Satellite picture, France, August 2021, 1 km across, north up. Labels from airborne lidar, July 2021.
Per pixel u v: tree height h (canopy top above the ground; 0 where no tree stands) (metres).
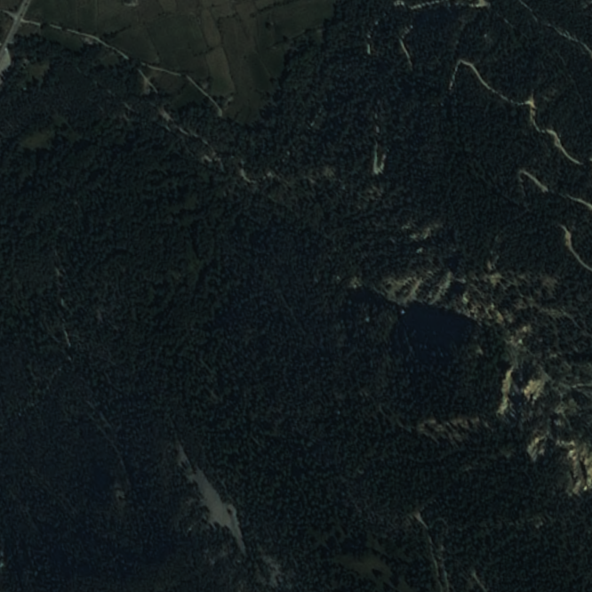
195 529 8
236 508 7
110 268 19
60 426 10
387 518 12
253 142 15
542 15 13
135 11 0
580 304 18
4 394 11
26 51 16
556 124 11
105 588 11
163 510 9
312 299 14
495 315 9
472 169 20
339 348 10
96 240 16
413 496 10
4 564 7
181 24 0
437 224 10
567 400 6
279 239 14
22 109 19
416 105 13
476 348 17
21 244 25
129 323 20
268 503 18
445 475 13
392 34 16
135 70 8
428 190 15
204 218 18
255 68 0
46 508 11
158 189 23
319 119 20
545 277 14
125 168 22
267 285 12
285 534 19
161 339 21
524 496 7
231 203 11
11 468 9
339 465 12
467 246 13
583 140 15
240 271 12
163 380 17
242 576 12
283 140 16
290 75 15
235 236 11
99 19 0
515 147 14
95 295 16
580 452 0
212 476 6
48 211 19
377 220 10
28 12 0
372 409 18
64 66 18
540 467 8
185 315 21
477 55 9
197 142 18
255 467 11
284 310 8
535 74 12
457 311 10
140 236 18
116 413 13
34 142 0
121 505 6
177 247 20
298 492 14
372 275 17
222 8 0
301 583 9
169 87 0
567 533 16
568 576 10
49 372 6
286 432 11
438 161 10
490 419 9
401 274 13
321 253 15
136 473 13
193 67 0
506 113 10
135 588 12
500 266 7
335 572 22
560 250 8
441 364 19
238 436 12
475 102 7
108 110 17
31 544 12
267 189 14
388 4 11
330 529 10
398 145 10
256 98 0
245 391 17
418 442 20
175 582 15
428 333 9
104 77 18
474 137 12
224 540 8
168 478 8
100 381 15
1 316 24
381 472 12
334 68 13
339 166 8
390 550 12
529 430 16
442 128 12
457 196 13
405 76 8
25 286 13
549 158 6
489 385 15
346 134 24
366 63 17
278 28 0
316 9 0
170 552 7
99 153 16
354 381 9
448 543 7
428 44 12
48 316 11
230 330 22
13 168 20
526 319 12
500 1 14
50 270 16
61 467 10
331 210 21
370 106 11
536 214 15
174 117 12
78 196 20
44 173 18
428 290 11
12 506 11
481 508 12
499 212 19
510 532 11
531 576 17
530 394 0
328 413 11
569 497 8
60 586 16
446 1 14
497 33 6
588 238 8
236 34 0
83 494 13
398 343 15
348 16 20
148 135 19
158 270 15
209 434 20
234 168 18
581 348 10
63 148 18
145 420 12
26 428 10
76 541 13
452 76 10
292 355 8
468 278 10
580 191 16
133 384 15
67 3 0
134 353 22
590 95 8
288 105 19
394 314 11
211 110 14
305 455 9
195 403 16
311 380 15
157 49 0
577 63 10
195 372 19
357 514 16
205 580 11
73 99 16
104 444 9
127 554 6
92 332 13
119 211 18
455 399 22
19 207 18
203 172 20
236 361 21
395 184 9
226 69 0
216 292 21
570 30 11
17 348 12
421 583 26
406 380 27
